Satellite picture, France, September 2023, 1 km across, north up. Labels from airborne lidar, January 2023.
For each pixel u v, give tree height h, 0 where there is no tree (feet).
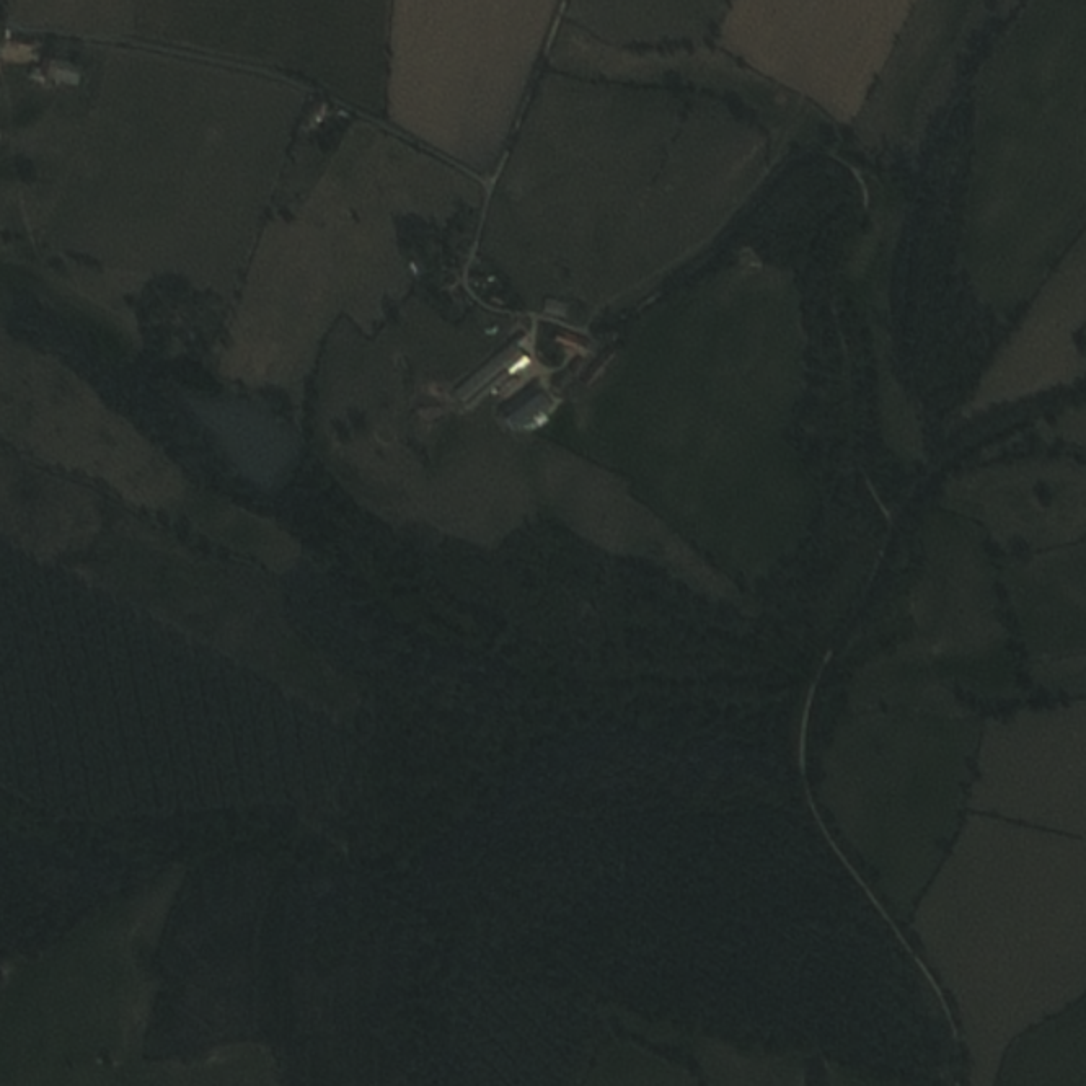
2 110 0
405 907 46
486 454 0
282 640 0
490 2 0
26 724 52
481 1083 39
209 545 57
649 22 0
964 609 0
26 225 0
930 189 60
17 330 26
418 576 18
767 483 0
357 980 0
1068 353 0
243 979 0
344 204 0
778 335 0
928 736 0
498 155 0
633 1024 0
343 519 75
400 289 0
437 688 75
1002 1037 0
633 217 0
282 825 80
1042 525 0
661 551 0
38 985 0
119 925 0
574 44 0
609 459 0
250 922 0
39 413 0
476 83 0
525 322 0
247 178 0
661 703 27
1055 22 0
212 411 0
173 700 54
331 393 0
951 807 0
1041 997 0
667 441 0
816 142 0
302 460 24
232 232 0
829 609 55
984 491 0
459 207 34
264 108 0
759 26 0
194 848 73
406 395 0
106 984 0
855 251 0
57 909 78
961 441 47
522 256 0
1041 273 0
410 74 0
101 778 47
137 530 0
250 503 54
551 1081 55
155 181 0
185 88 0
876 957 55
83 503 0
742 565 0
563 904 51
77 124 0
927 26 0
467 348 0
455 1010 56
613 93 0
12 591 45
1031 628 0
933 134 24
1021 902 0
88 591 48
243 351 0
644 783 78
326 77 0
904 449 0
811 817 66
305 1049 0
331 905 77
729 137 0
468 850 85
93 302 0
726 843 60
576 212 0
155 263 0
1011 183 0
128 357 0
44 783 47
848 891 65
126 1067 0
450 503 0
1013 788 0
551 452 0
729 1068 0
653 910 66
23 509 0
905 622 38
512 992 59
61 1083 0
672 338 0
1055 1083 0
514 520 0
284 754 52
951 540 0
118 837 54
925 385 48
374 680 55
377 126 0
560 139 0
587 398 0
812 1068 57
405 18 0
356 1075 0
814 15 0
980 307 44
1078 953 0
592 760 79
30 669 52
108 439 0
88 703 54
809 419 54
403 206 0
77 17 0
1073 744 0
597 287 0
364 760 54
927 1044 46
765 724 25
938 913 0
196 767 46
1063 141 0
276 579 37
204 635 0
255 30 0
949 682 0
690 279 55
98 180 0
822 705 61
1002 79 0
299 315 0
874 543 38
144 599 0
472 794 74
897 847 0
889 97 0
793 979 59
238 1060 0
